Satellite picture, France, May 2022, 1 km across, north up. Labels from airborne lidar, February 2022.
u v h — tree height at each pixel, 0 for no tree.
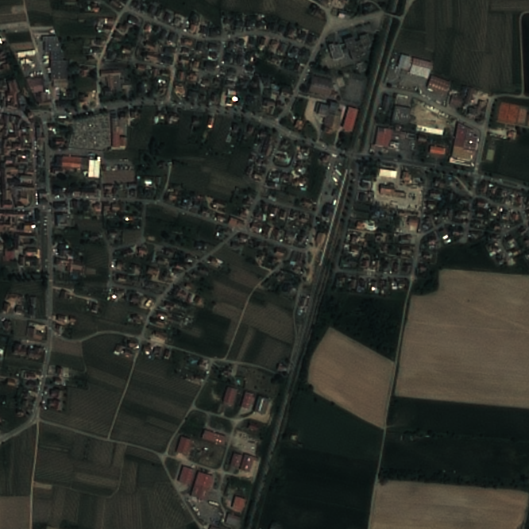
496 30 0
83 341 0
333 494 0
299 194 0
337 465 0
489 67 0
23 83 0
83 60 0
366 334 0
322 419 0
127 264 0
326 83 0
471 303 0
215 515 0
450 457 0
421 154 0
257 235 0
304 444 0
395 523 0
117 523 0
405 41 0
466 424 0
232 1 0
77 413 0
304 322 0
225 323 0
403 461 0
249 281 0
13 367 0
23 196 0
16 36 0
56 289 0
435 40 0
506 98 0
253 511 0
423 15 0
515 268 0
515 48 0
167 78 0
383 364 0
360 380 0
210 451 0
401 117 0
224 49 0
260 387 0
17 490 0
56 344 0
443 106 0
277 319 0
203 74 0
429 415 0
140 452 0
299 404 0
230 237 0
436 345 0
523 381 0
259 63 6
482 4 0
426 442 0
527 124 0
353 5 0
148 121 0
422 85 0
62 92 0
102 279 0
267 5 0
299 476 0
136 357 0
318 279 0
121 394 0
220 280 0
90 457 0
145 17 0
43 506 0
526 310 0
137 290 0
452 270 0
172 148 0
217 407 0
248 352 0
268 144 0
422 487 0
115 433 0
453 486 0
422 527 0
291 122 0
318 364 0
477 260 0
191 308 0
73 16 0
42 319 0
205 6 0
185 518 0
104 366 0
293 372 0
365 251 8
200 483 0
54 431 0
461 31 0
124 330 0
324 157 0
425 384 0
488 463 0
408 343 0
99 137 0
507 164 0
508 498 0
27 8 0
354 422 0
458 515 0
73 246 0
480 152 0
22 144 0
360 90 0
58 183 0
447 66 0
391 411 0
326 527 0
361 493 0
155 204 0
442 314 0
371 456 0
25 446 0
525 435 0
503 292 0
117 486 0
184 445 0
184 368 0
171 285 0
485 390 0
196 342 0
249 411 0
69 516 0
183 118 0
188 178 0
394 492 0
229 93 0
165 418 0
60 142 0
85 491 0
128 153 0
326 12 0
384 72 0
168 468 0
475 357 0
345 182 0
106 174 0
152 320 13
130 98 6
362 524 0
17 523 0
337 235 0
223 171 0
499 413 0
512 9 0
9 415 0
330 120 0
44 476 0
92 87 0
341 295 0
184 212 0
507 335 0
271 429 0
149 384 0
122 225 10
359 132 0
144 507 0
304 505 0
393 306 0
